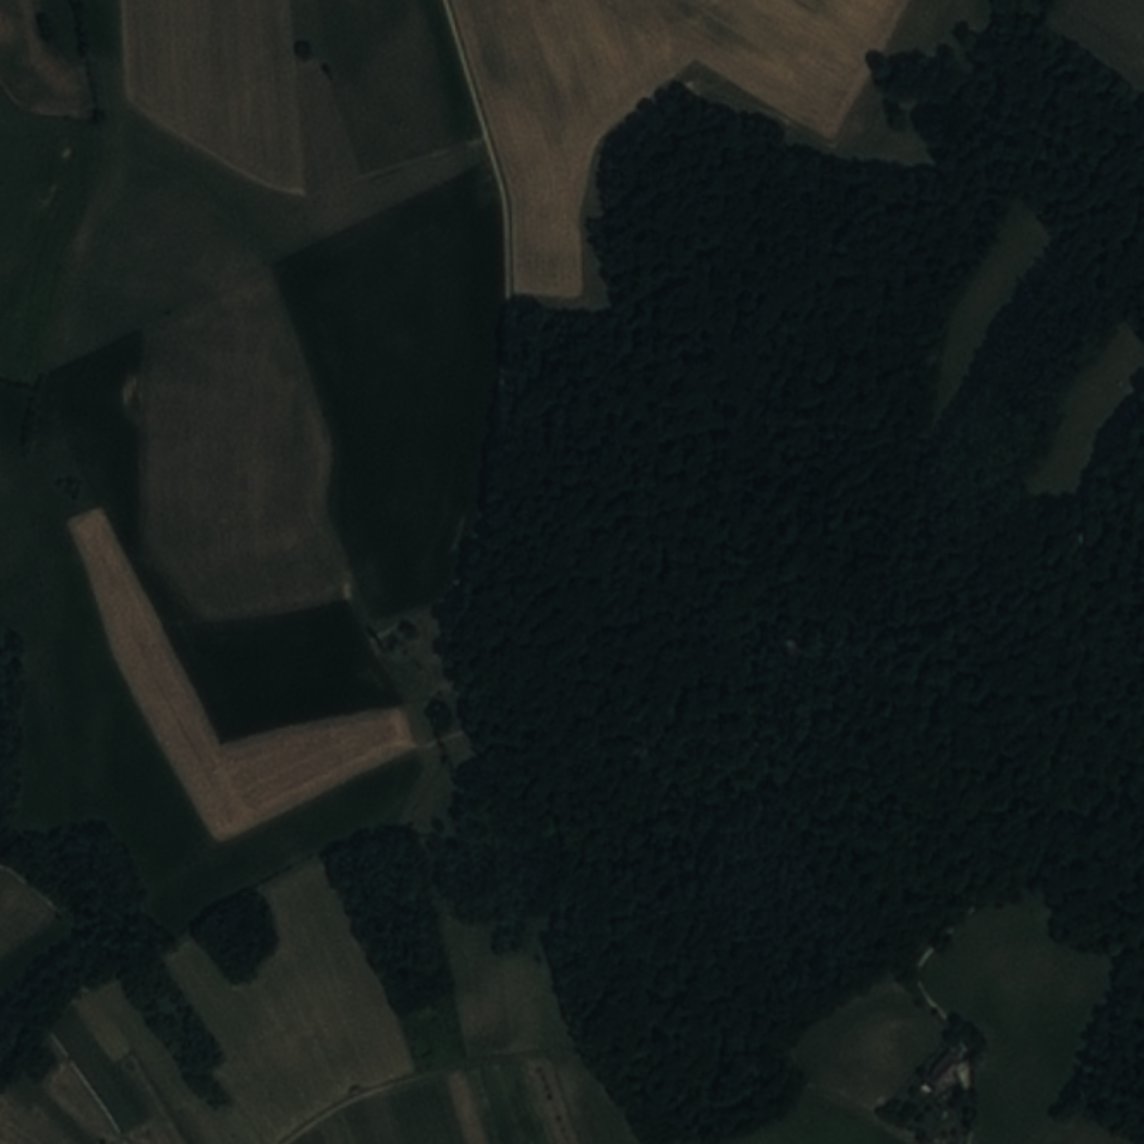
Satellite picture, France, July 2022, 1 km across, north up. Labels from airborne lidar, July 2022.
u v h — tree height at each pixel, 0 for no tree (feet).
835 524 94
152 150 0
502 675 80
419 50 0
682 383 87
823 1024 0
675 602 85
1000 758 87
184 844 0
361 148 0
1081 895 87
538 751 76
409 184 0
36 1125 0
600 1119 0
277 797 0
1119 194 88
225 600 0
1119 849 82
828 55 0
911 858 87
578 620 92
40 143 0
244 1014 0
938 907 74
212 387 0
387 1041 0
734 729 78
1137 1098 76
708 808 67
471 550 71
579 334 84
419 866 80
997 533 91
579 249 0
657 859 65
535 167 0
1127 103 66
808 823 70
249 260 0
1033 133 88
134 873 56
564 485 83
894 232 78
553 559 83
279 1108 0
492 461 71
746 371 91
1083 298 81
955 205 94
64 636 0
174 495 0
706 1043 71
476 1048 0
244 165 0
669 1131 72
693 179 59
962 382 0
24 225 0
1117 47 0
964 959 0
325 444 0
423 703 0
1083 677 87
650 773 73
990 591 77
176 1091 0
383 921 65
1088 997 0
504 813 76
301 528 0
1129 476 84
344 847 42
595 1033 75
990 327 0
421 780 0
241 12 0
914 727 83
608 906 94
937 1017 25
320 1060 0
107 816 0
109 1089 0
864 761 59
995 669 90
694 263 83
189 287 0
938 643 87
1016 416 95
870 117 0
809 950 45
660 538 70
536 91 0
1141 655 67
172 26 0
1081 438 0
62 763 0
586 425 93
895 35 0
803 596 84
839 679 54
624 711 79
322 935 0
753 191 48
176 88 0
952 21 0
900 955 62
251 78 0
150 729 0
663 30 0
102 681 0
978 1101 44
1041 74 85
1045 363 95
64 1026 0
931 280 74
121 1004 0
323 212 0
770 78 0
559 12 0
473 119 0
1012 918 0
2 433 0
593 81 0
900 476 73
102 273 0
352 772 0
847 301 84
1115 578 89
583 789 82
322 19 0
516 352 83
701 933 91
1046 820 68
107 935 70
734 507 88
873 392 89
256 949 49
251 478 0
